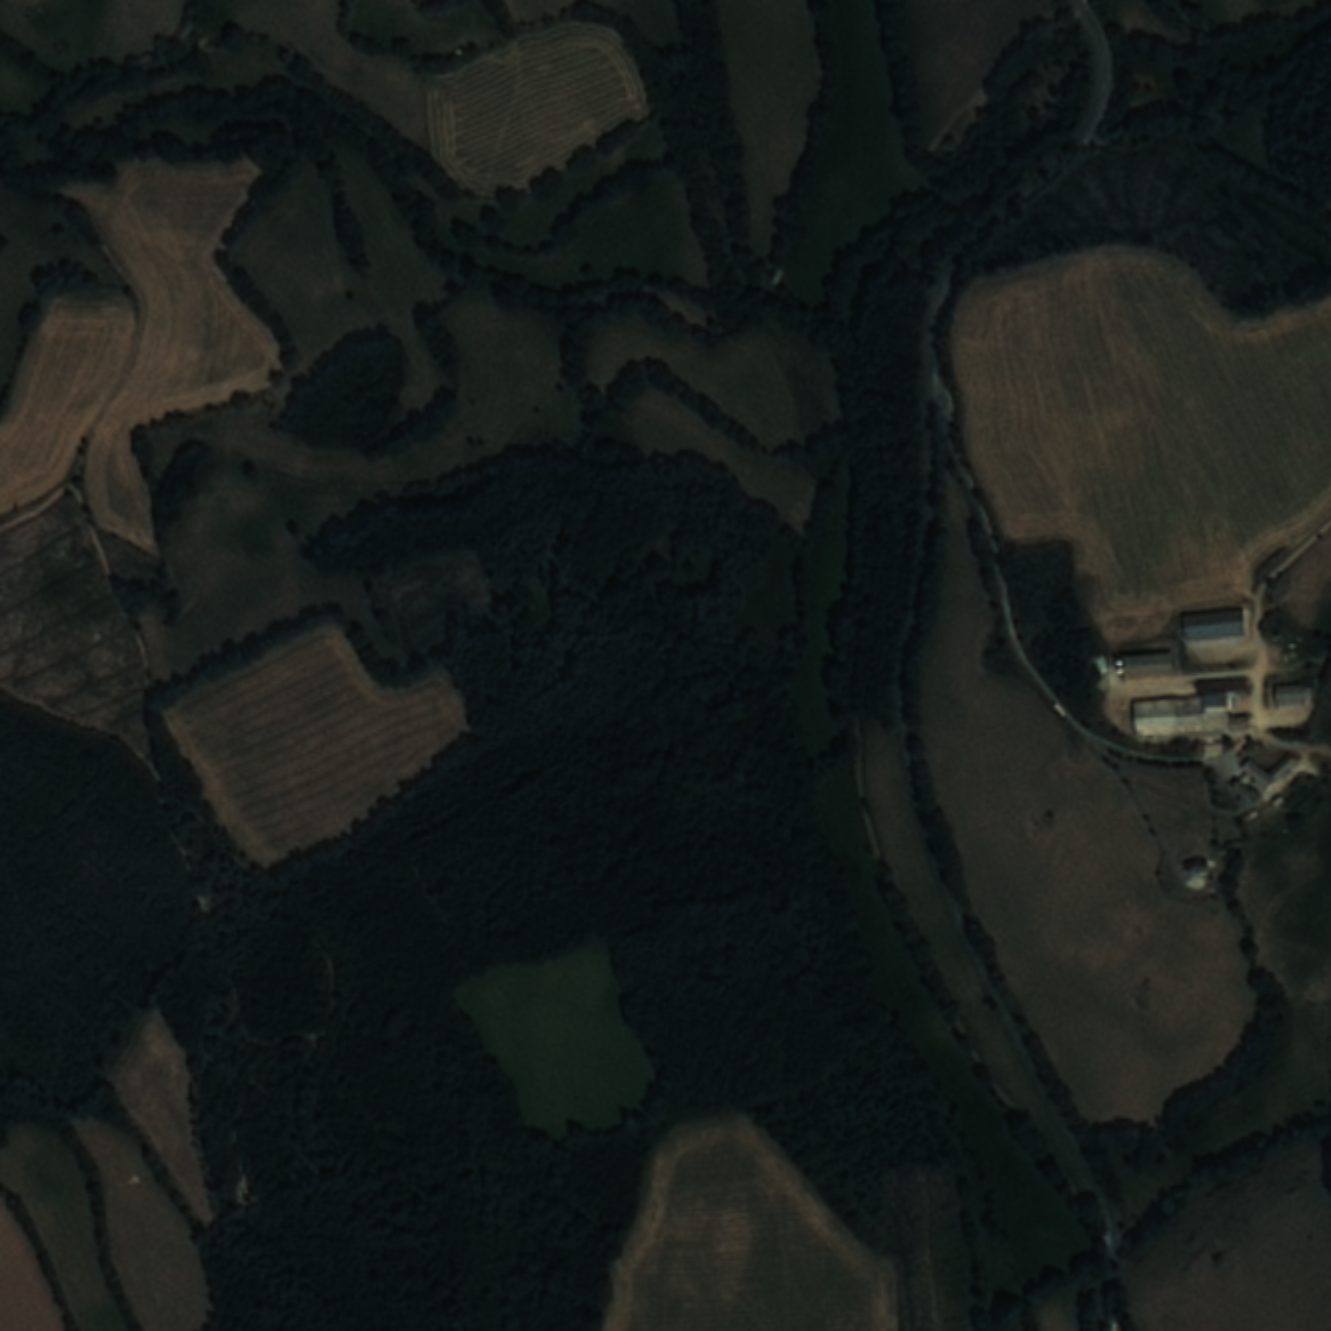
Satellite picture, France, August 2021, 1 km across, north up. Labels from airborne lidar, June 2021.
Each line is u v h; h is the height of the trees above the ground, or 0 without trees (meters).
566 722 16
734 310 14
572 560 20
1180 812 0
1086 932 0
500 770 10
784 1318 0
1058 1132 0
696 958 20
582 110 0
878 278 21
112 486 0
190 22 10
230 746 0
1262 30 20
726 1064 25
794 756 19
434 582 0
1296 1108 0
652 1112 16
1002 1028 0
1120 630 0
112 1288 8
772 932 22
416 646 0
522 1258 14
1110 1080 0
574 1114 0
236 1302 12
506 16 11
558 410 0
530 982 0
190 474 11
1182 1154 14
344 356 17
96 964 6
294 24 0
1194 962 0
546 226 0
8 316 0
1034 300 0
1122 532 0
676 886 9
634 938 17
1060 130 16
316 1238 16
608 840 11
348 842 9
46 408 0
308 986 7
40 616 0
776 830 14
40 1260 11
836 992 17
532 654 19
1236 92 22
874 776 0
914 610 13
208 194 0
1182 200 0
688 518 15
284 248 0
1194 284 0
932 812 16
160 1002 17
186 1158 0
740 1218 0
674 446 0
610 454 16
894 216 9
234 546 0
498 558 16
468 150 0
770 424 0
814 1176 6
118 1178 0
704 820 13
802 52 0
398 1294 19
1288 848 0
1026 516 0
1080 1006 0
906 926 17
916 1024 0
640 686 24
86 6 0
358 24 0
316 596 0
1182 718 0
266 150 20
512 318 0
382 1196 8
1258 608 0
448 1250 9
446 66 10
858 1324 0
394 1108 8
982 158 19
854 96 0
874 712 11
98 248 6
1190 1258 0
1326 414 0
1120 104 15
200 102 17
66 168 15
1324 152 19
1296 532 0
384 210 0
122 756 7
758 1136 0
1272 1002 16
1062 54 14
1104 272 0
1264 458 0
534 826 12
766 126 0
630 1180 9
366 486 0
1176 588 0
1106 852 0
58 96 12
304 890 12
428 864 11
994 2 0
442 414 18
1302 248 0
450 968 13
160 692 15
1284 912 0
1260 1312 0
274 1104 8
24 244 0
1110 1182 21
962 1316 0
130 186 0
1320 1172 0
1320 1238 0
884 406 18
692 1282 0
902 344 19
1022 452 0
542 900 14
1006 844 0
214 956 9
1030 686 0
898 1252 0
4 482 0
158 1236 0
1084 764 0
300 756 0
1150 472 0
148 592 14
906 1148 7
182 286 0
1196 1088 11
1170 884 0
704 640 14
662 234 0
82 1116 18
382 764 0
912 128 18
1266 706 0
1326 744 0
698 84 19
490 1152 17
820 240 0
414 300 0
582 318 21
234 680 0
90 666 0
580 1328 9
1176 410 0
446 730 0
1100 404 0
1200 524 0
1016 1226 0
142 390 0
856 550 14
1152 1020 0
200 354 0
